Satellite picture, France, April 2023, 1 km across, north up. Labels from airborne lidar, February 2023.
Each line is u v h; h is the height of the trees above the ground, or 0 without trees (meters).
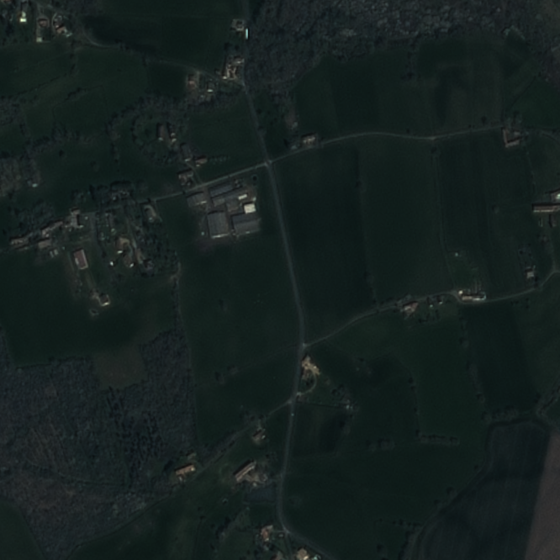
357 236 0
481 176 0
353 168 0
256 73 18
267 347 0
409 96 0
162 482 9
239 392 0
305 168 0
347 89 0
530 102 0
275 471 0
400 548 0
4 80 0
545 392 0
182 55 0
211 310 0
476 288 0
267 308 0
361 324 0
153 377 8
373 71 0
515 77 0
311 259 0
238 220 0
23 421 11
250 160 0
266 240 0
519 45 0
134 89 0
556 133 7
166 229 0
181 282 0
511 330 0
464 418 0
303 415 0
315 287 0
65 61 0
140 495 6
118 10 0
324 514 0
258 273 0
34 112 0
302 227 0
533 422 0
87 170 0
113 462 11
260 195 0
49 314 0
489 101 0
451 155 0
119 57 0
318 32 13
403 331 0
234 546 0
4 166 33
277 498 0
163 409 11
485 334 0
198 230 0
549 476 0
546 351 0
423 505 0
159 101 20
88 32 14
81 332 0
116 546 0
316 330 0
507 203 0
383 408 0
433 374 0
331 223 0
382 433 0
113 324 0
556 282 0
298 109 0
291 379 0
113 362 0
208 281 0
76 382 12
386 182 0
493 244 0
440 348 0
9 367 15
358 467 0
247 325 0
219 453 17
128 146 0
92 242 0
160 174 0
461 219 0
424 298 0
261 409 0
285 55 16
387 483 0
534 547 0
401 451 0
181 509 0
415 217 0
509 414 17
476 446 0
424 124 0
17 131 0
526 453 0
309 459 0
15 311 0
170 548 0
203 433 0
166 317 0
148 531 0
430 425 0
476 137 0
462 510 0
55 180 0
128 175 0
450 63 0
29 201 0
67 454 12
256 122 0
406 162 0
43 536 6
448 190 0
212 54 0
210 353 0
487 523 0
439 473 0
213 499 0
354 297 0
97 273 0
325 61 0
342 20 21
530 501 0
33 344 0
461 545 0
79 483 6
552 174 0
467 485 0
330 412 0
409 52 0
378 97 0
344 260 0
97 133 0
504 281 0
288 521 0
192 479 0
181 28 0
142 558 0
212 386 0
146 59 10
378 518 0
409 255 0
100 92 0
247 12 0
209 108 18
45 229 0
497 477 0
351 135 0
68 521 9
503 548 0
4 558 0
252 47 21
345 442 0
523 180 0
